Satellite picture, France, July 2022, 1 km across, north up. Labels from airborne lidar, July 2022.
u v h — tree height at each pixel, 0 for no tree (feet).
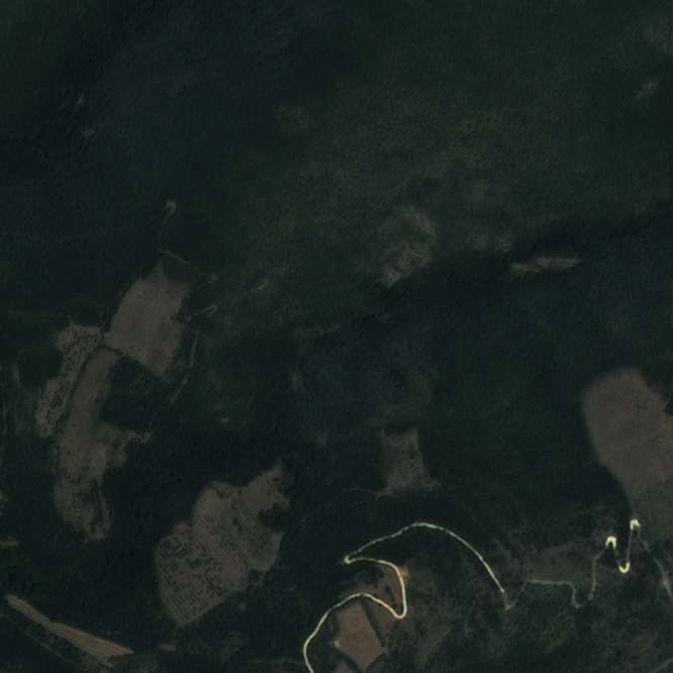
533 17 18
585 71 20
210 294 17
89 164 29
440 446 24
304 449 31
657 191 20
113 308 23
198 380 18
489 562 19
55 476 19
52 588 41
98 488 28
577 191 19
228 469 23
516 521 21
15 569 32
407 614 0
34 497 25
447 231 23
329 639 24
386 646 23
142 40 20
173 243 17
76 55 61
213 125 18
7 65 27
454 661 29
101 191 18
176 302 0
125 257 19
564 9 19
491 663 23
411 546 19
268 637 19
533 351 40
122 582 41
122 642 19
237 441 56
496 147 19
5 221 35
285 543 30
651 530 0
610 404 0
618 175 19
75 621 29
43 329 19
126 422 24
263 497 0
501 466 22
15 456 27
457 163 19
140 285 0
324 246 19
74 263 20
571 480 21
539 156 19
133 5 42
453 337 19
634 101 23
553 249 21
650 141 25
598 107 28
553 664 29
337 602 20
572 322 19
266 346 27
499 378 18
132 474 40
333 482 21
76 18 35
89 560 46
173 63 24
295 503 41
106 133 18
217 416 33
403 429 24
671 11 19
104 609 26
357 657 0
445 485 18
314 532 24
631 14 19
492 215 20
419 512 19
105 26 25
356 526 19
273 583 23
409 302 31
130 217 20
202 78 20
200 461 46
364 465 21
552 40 18
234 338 19
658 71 20
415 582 0
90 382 0
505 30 19
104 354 0
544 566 0
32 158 43
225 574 0
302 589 19
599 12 20
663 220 24
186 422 27
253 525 0
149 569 52
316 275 21
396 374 24
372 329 39
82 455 0
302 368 28
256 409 34
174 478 31
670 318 18
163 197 18
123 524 19
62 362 32
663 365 20
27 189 20
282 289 19
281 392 34
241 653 33
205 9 25
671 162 22
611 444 0
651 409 0
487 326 23
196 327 23
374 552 18
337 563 24
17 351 19
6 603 30
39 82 31
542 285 26
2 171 55
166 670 27
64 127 58
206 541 0
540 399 25
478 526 20
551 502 17
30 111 35
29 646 33
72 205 19
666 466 0
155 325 0
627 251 26
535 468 18
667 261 19
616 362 19
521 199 21
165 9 29
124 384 28
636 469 0
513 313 19
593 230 39
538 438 20
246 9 20
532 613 21
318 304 22
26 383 30
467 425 24
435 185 25
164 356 0
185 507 21
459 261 31
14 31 26
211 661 21
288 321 21
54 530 33
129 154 18
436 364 18
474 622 21
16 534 26
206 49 18
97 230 21
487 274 44
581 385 18
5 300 22
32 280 28
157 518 49
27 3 21
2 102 31
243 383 21
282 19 20
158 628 36
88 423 0
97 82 30
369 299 23
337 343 27
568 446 22
